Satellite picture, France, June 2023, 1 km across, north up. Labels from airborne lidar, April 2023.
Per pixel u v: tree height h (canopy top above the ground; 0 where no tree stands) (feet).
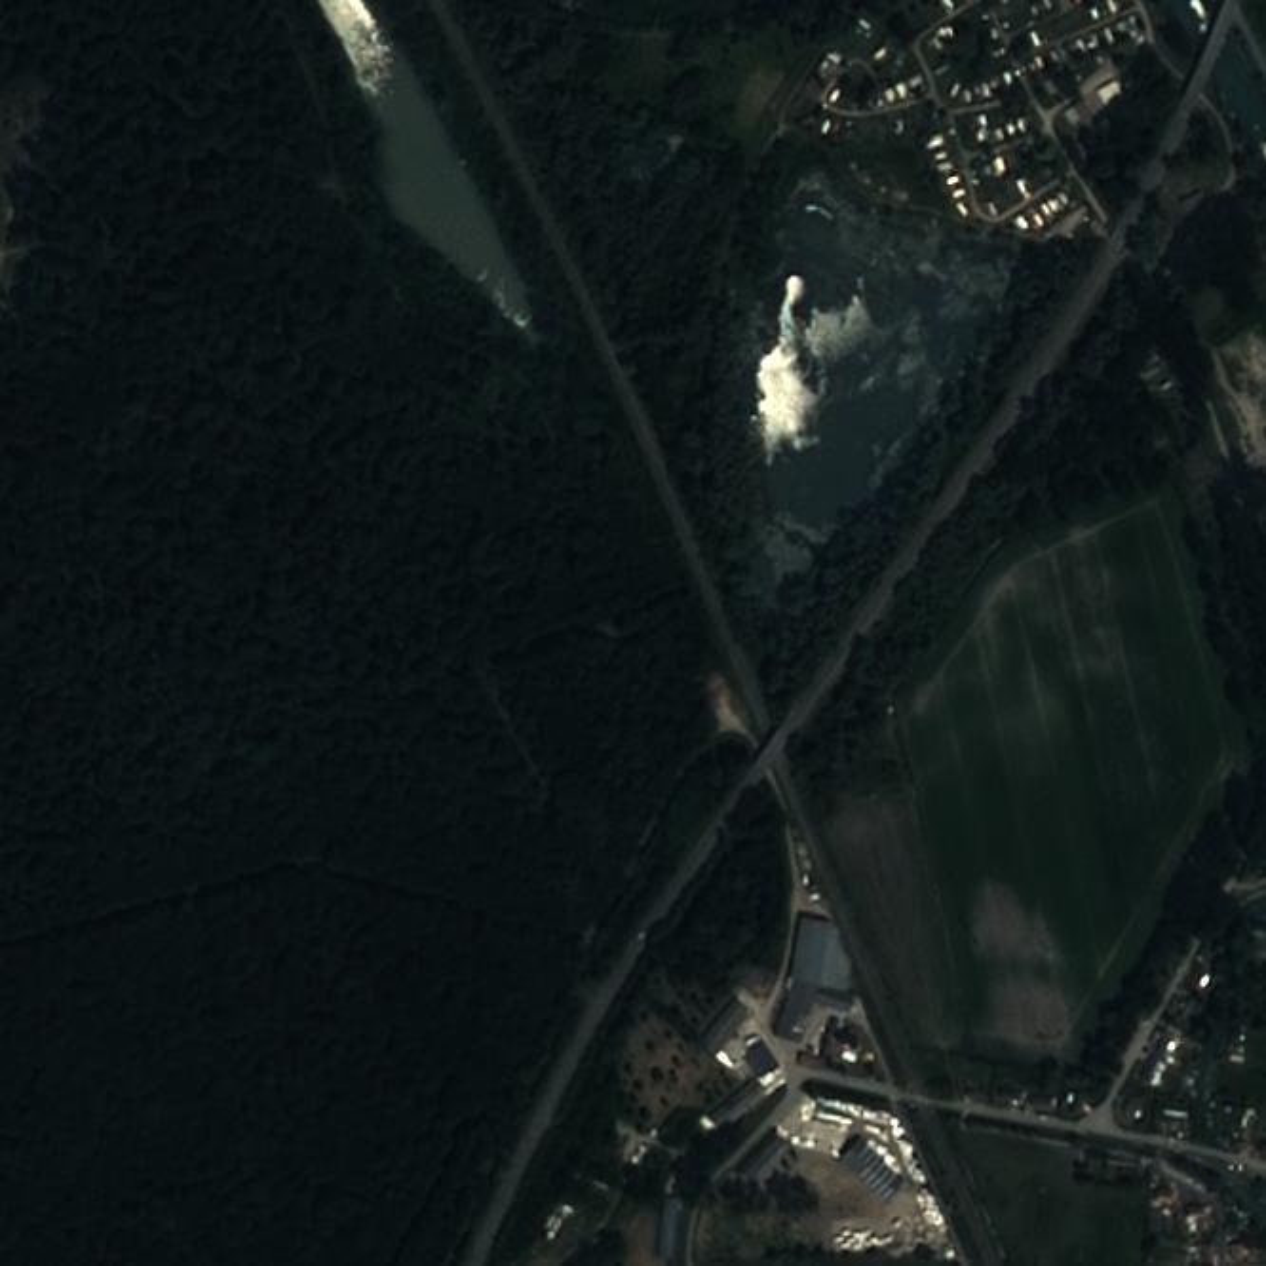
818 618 68
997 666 0
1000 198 0
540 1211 20
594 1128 31
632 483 47
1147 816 0
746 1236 0
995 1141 0
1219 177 0
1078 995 0
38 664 60
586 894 54
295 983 77
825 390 0
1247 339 0
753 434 42
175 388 48
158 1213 93
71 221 59
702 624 47
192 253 74
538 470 71
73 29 40
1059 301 54
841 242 0
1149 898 0
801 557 0
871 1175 0
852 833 0
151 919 59
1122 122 91
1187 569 0
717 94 0
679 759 47
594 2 0
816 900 0
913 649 50
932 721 0
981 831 0
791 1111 0
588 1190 0
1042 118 0
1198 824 0
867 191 0
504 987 77
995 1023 0
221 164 87
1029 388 0
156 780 71
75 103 70
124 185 78
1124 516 0
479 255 0
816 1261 32
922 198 0
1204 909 89
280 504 63
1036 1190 0
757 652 20
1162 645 0
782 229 0
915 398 0
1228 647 94
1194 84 0
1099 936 0
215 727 74
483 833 71
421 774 71
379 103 0
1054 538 0
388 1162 90
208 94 72
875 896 0
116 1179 91
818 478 0
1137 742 0
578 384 65
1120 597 0
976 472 0
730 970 49
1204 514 0
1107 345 67
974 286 0
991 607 0
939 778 0
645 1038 0
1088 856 0
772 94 0
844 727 60
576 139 67
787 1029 0
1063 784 0
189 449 64
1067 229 0
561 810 64
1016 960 0
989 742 0
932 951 0
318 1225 87
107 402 67
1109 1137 0
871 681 51
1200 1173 32
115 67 86
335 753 50
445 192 0
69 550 75
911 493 65
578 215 29
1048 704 0
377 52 0
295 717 79
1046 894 0
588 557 58
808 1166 0
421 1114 74
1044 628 0
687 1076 0
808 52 0
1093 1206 0
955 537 59
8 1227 92
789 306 0
